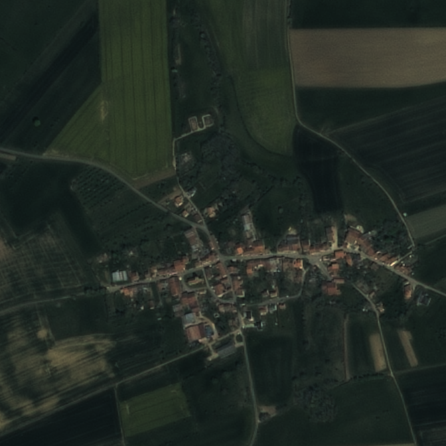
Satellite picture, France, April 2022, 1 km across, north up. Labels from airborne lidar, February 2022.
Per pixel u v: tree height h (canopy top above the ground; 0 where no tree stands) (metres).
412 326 0
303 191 12
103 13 0
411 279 0
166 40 0
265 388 0
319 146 0
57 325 0
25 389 0
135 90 0
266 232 8
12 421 0
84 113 0
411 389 0
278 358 0
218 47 0
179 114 0
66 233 0
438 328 0
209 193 0
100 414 0
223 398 0
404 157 0
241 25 0
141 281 0
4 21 0
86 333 0
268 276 7
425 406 0
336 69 0
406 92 0
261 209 0
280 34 0
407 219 0
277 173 0
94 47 0
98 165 0
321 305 15
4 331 0
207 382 0
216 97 12
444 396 0
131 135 0
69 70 0
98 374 0
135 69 0
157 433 0
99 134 0
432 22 0
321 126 0
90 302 0
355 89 0
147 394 0
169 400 0
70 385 0
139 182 0
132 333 0
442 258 0
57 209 0
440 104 0
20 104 0
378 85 0
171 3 0
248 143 0
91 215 0
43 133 0
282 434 0
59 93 0
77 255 0
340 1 0
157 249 0
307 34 0
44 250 0
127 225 0
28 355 0
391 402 0
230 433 0
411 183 0
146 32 0
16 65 0
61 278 0
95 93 0
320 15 0
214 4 0
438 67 0
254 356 0
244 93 0
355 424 0
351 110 0
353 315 0
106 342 0
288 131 0
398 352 0
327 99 0
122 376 0
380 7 0
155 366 0
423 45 0
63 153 0
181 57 0
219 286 0
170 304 0
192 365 0
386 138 0
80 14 0
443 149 0
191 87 0
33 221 0
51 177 0
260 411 0
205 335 0
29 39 0
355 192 0
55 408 0
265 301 0
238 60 0
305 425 0
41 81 0
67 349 0
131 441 0
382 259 0
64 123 0
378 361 0
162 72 0
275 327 0
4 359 0
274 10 0
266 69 0
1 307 0
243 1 0
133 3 0
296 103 0
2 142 0
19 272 0
